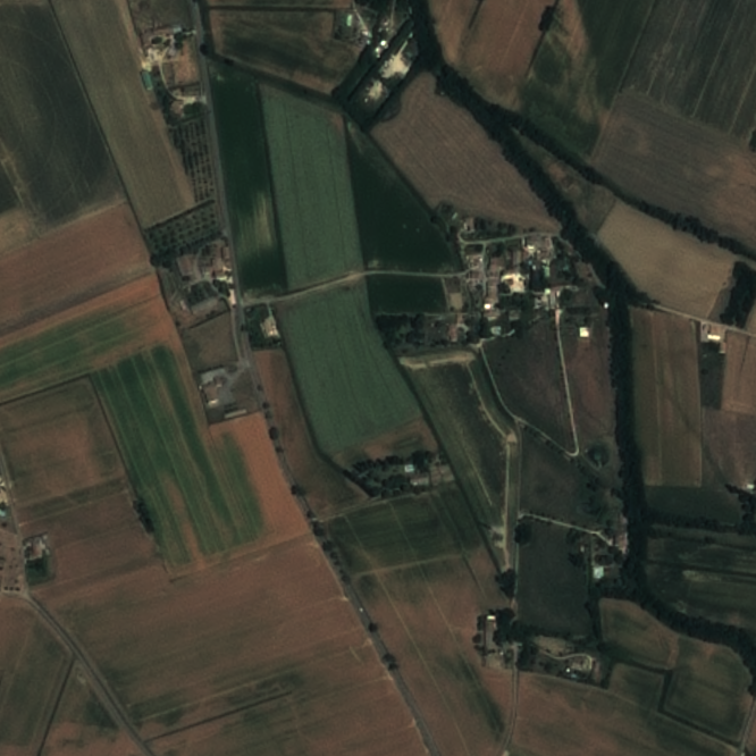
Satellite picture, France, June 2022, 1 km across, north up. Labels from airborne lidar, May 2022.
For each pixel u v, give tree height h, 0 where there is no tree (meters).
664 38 0
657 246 0
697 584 0
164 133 0
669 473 0
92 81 0
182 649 0
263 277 0
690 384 0
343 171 0
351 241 0
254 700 0
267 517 0
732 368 0
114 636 0
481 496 0
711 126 0
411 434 0
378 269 0
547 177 15
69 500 0
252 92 0
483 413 0
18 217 0
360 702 0
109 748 0
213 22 0
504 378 0
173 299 0
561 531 0
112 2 0
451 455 0
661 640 0
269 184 0
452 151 0
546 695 0
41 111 0
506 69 0
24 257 0
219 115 0
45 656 0
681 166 0
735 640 14
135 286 0
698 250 0
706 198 0
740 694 0
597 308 0
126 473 0
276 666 0
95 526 0
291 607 0
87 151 0
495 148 0
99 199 0
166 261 11
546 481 0
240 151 0
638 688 0
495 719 0
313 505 0
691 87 0
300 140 0
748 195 0
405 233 0
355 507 0
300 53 0
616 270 18
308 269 0
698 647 0
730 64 0
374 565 0
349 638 0
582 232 17
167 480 0
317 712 0
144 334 0
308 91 8
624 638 0
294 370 0
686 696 0
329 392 0
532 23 0
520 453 0
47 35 0
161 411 0
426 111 0
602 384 0
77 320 0
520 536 20
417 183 0
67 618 0
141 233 0
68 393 0
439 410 0
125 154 0
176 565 0
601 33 0
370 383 0
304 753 0
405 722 0
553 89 0
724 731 0
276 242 0
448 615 0
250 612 0
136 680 0
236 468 0
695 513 0
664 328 0
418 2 15
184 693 0
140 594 0
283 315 0
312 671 0
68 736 0
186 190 0
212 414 0
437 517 0
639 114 0
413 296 0
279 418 0
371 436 0
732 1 0
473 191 0
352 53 0
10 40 0
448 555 0
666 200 0
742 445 0
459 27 0
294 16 0
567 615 0
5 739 0
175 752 0
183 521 0
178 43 7
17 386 0
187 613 0
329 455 0
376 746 0
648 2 0
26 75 0
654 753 0
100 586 0
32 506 0
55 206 0
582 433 0
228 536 0
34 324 0
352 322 0
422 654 0
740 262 11
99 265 0
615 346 13
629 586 20
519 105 0
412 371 0
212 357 0
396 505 0
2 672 0
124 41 0
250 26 0
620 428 11
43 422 0
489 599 0
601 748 0
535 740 0
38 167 0
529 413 0
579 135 0
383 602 0
